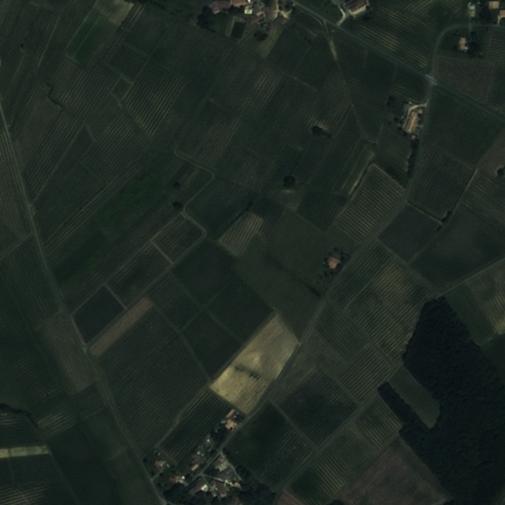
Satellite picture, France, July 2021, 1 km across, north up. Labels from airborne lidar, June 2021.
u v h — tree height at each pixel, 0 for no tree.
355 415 0
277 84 0
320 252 0
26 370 0
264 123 0
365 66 0
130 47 0
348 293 0
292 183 17
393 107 10
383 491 0
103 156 0
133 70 0
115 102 0
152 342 0
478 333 0
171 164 0
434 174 0
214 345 0
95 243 0
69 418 0
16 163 0
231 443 0
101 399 0
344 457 0
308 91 0
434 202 0
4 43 0
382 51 0
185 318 0
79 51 0
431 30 0
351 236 0
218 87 0
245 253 0
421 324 14
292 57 0
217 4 0
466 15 0
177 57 0
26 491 0
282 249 0
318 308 0
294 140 0
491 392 25
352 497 0
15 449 0
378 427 0
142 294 0
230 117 0
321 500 0
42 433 0
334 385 0
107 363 0
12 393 0
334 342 0
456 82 0
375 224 0
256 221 0
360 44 0
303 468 0
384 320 0
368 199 0
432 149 0
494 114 0
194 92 0
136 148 0
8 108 0
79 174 0
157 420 0
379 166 0
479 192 0
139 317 0
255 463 0
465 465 23
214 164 0
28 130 0
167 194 0
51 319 0
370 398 0
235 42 0
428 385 15
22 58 0
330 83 0
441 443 22
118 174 0
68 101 0
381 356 0
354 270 0
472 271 0
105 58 0
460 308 0
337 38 0
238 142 0
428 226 0
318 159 0
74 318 0
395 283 0
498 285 0
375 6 0
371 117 0
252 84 0
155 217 0
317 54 0
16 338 0
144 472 0
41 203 0
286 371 0
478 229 0
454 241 0
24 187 0
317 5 0
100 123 0
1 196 0
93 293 0
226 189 0
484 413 21
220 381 0
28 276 0
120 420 0
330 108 0
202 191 0
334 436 0
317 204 0
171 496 19
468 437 25
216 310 0
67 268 0
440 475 17
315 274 0
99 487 0
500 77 0
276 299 0
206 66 0
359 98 0
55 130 0
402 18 0
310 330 0
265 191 0
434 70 0
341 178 0
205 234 0
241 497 17
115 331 0
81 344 0
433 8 0
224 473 0
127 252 0
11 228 0
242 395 0
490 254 0
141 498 0
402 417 11
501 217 0
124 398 0
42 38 0
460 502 16
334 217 0
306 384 0
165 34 0
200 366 0
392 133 0
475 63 0
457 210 0
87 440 0
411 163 14
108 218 0
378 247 0
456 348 20
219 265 0
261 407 0
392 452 0
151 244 0
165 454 0
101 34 0
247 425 0
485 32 0
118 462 0
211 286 0
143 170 0
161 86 0
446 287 0
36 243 0
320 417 0
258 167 0
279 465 0
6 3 0
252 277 0
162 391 0
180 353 0
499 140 0
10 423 0
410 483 0
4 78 0
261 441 0
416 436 20
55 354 0
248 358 0
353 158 0
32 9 0
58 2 0
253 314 0
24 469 0
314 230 0
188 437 0
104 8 0
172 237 0
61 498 0
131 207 0
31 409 0
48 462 0
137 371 0
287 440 0
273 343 0
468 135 0
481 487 18
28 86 0
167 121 0
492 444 15
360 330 0
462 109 0
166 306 0
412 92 0
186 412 0
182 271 0
